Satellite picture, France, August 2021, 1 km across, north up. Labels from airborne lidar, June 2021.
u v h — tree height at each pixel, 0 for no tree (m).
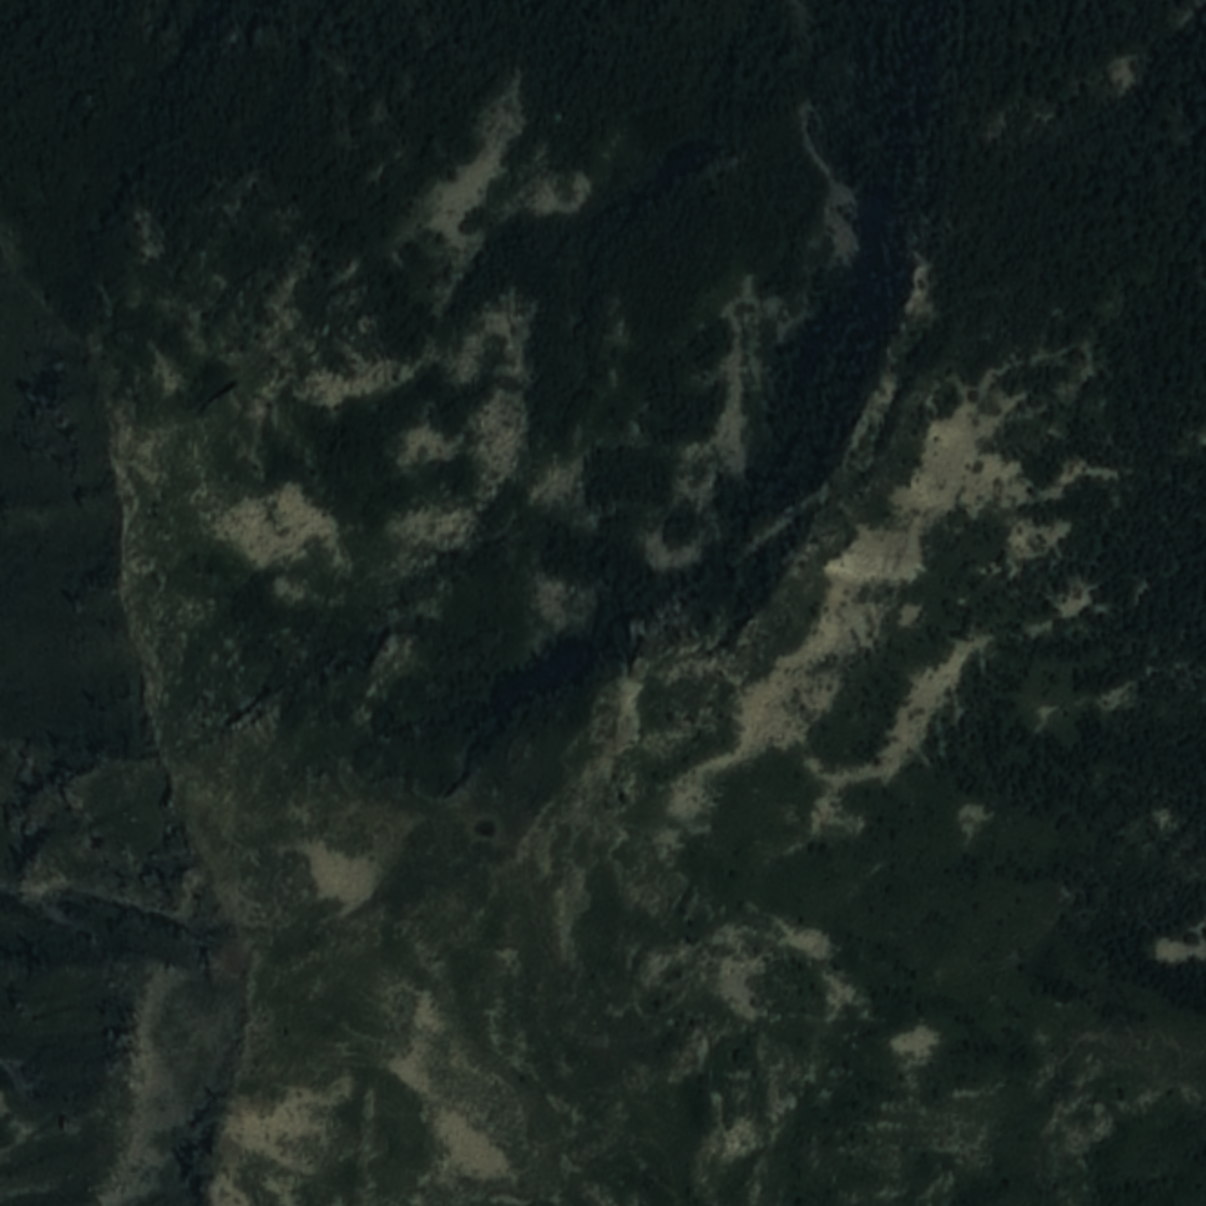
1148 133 15
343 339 6
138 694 0
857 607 0
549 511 0
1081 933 9
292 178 7
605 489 6
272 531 0
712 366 6
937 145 7
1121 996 7
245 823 0
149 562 0
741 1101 0
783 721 0
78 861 0
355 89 7
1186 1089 0
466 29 9
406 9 7
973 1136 0
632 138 0
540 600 0
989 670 7
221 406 0
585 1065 0
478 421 0
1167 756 12
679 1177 0
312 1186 0
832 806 0
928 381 0
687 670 0
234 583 0
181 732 0
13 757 0
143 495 0
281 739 0
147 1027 0
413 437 0
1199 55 10
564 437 6
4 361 0
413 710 0
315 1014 0
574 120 8
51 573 0
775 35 7
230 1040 0
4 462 0
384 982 0
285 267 7
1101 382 11
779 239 5
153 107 8
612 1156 0
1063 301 9
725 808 0
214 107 6
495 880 0
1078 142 8
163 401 0
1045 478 12
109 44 7
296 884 0
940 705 0
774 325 0
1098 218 7
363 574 0
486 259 8
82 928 0
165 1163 0
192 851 0
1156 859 6
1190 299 15
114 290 5
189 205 7
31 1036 0
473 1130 0
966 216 8
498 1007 0
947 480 0
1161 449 15
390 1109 0
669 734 0
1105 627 8
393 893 0
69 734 0
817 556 0
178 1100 0
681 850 0
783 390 7
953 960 0
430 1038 0
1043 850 0
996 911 0
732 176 6
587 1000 0
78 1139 0
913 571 0
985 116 6
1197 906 15
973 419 0
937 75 7
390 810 0
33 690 0
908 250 8
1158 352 17
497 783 0
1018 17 10
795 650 0
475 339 0
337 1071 0
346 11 13
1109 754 13
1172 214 11
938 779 7
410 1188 0
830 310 6
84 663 0
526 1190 0
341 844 0
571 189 0
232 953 0
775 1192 0
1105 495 9
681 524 8
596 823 0
